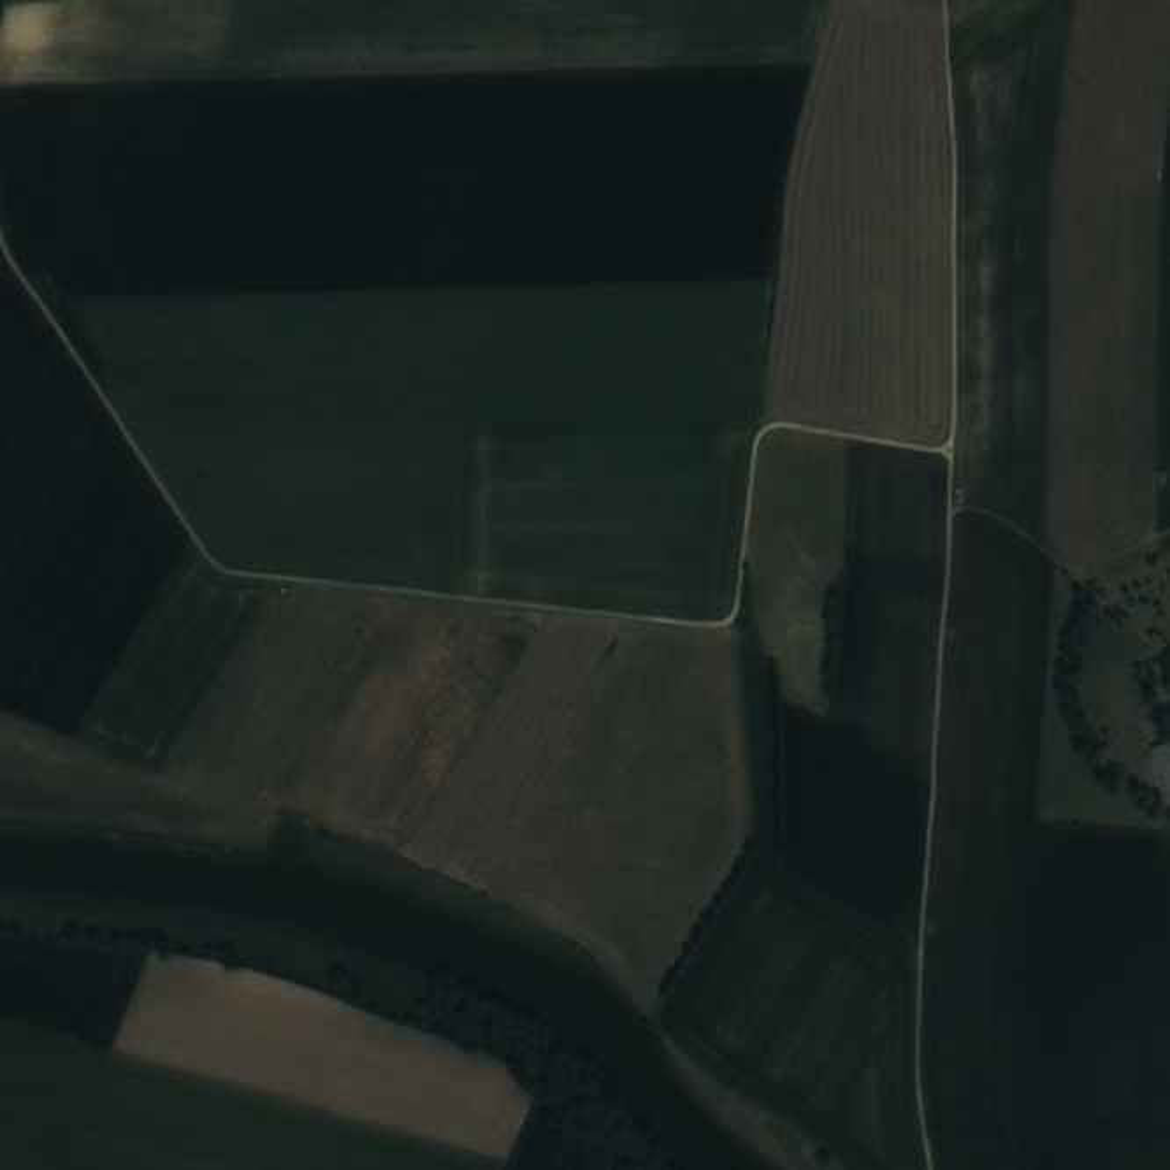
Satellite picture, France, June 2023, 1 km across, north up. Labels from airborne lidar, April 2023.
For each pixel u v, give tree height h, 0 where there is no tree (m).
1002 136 0
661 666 0
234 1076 0
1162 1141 0
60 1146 0
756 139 0
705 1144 0
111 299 0
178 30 0
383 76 0
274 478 0
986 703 0
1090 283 0
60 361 0
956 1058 0
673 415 0
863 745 0
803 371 0
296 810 0
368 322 0
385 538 0
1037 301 0
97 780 0
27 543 0
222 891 0
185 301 0
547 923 0
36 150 0
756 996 0
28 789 0
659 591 0
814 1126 0
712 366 0
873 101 0
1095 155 0
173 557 0
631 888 0
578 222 0
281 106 0
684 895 0
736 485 0
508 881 0
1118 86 0
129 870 0
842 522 0
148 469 0
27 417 0
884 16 0
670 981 11
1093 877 0
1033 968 0
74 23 0
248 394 0
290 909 0
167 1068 0
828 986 0
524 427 0
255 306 0
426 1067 0
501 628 0
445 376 0
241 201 0
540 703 0
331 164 0
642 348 0
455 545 0
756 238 0
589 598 0
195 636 0
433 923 0
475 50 0
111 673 0
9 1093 0
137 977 0
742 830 0
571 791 0
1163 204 0
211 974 0
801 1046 0
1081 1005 0
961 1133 0
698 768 0
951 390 0
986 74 0
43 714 0
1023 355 0
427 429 0
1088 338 0
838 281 0
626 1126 21
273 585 0
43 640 0
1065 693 19
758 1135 0
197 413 0
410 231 0
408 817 0
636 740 0
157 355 0
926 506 0
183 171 0
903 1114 0
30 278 0
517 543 0
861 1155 0
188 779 0
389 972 0
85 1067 0
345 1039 0
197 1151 0
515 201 0
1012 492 0
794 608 0
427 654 0
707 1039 0
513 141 0
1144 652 0
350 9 0
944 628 0
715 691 0
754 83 0
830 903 0
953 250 0
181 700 0
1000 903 0
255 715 0
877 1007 0
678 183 0
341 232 0
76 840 0
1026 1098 0
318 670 0
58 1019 0
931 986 0
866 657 0
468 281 0
